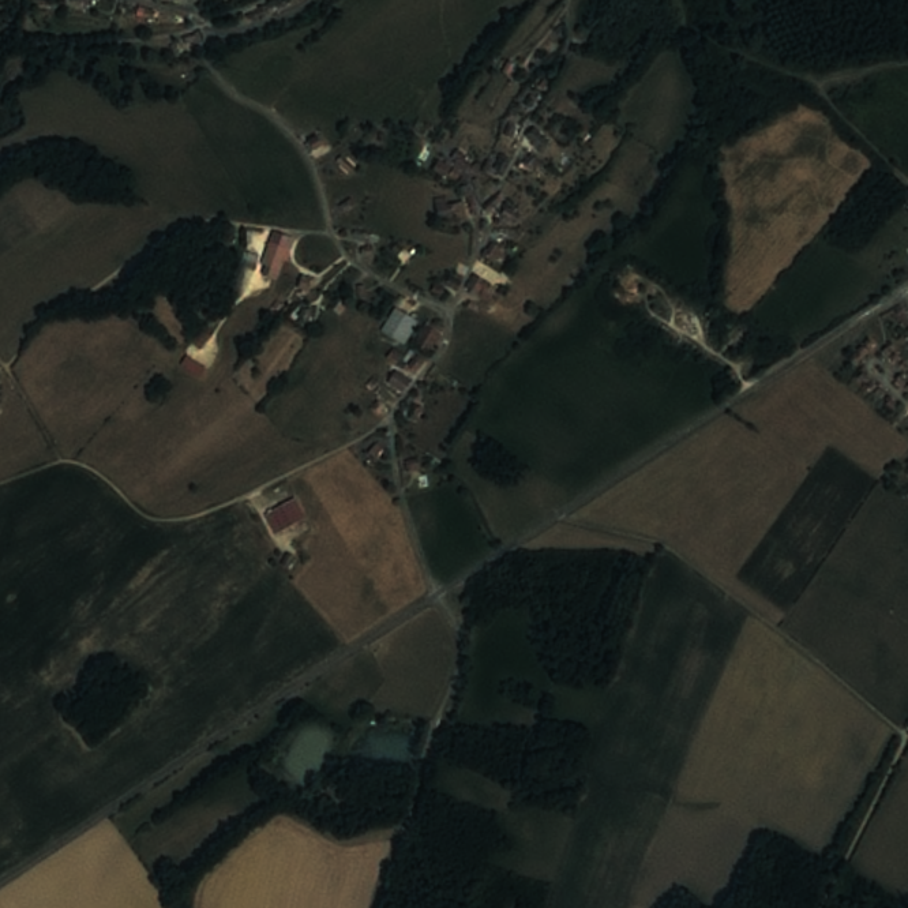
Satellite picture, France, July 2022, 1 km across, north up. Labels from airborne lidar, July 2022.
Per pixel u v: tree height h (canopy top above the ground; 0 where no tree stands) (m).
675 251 0
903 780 0
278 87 0
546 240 0
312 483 0
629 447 0
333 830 13
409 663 0
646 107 0
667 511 0
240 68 0
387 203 0
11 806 0
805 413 0
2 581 0
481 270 0
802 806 0
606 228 0
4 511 0
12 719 0
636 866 0
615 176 0
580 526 0
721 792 0
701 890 0
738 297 0
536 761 23
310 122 0
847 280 0
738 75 6
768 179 0
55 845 0
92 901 0
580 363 0
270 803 17
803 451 0
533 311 14
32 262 0
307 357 0
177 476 0
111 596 0
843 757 0
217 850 20
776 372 0
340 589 0
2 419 0
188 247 19
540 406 0
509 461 21
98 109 0
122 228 0
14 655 0
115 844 0
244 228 8
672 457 0
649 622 0
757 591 0
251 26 0
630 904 0
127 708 23
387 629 0
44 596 0
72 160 15
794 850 19
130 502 0
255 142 0
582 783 6
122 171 14
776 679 0
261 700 0
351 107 0
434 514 0
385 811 13
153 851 0
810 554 0
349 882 0
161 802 0
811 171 0
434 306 0
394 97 0
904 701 0
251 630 0
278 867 0
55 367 0
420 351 6
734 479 0
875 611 0
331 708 0
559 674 20
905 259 0
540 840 0
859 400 0
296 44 0
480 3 0
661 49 16
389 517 0
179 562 0
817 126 0
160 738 0
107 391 0
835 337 0
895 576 0
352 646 0
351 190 0
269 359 0
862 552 0
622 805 0
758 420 0
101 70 16
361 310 13
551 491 0
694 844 0
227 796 0
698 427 0
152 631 0
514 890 9
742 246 0
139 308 16
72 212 0
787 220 0
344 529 0
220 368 0
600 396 0
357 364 0
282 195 0
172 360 0
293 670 0
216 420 0
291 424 0
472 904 8
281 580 0
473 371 0
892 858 0
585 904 0
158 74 0
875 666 0
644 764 0
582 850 0
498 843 14
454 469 12
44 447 0
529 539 0
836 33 27
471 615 11
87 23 0
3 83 0
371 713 15
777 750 0
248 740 0
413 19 0
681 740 0
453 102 14
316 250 0
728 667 0
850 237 12
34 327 11
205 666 0
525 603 7
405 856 18
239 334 0
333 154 0
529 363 0
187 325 20
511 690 8
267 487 0
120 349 0
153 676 0
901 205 12
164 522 0
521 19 18
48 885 0
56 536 0
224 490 0
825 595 0
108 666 25
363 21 0
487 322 0
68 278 0
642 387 0
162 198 0
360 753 0
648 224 15
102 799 0
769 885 19
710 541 0
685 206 0
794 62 27
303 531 0
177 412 0
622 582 23
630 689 0
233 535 0
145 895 0
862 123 0
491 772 8
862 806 10
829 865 14
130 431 0
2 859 0
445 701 0
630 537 0
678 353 6
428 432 0
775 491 0
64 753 0
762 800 0
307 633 0
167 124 0
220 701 0
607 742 0
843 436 0
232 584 0
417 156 0
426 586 0
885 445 0
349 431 11
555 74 15
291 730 16
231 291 12
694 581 0
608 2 15
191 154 0
